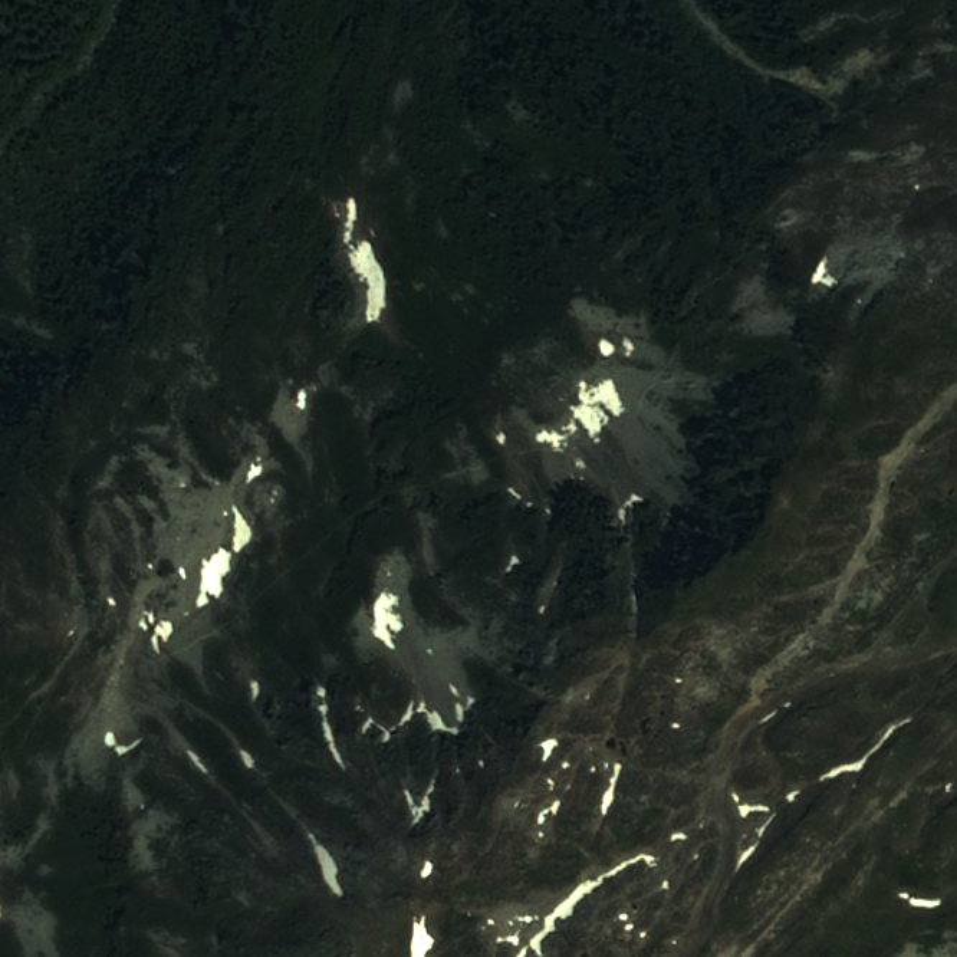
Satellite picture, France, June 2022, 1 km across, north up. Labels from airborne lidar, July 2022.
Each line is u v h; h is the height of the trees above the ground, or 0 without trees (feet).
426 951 0
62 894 0
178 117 24
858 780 0
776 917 0
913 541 0
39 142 24
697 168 23
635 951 0
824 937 0
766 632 0
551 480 0
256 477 0
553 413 0
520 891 0
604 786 0
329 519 0
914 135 0
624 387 0
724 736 0
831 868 0
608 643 0
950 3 0
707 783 0
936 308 0
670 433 0
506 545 0
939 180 0
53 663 0
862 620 0
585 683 0
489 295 0
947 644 0
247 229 0
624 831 0
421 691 0
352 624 0
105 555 0
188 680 0
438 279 0
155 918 0
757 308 0
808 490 0
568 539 0
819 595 0
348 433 0
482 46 23
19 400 56
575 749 0
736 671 0
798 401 0
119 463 0
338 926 0
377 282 0
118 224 25
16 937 0
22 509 0
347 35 26
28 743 0
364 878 0
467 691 0
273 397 0
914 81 0
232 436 0
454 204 19
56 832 0
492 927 0
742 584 0
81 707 0
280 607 0
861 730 0
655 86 17
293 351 0
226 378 0
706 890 0
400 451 0
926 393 0
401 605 0
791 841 0
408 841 0
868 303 0
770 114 25
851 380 0
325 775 0
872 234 0
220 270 0
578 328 0
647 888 0
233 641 0
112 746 0
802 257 0
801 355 0
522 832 0
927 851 0
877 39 0
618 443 0
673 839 0
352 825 0
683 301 24
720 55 19
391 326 0
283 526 0
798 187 0
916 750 0
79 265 28
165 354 0
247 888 0
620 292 0
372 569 0
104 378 0
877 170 0
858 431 0
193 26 21
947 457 0
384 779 0
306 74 20
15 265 0
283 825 0
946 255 0
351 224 0
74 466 0
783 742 0
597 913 0
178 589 0
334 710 0
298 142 40
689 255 0
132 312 48
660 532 0
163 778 0
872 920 0
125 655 0
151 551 0
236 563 0
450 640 0
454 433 0
